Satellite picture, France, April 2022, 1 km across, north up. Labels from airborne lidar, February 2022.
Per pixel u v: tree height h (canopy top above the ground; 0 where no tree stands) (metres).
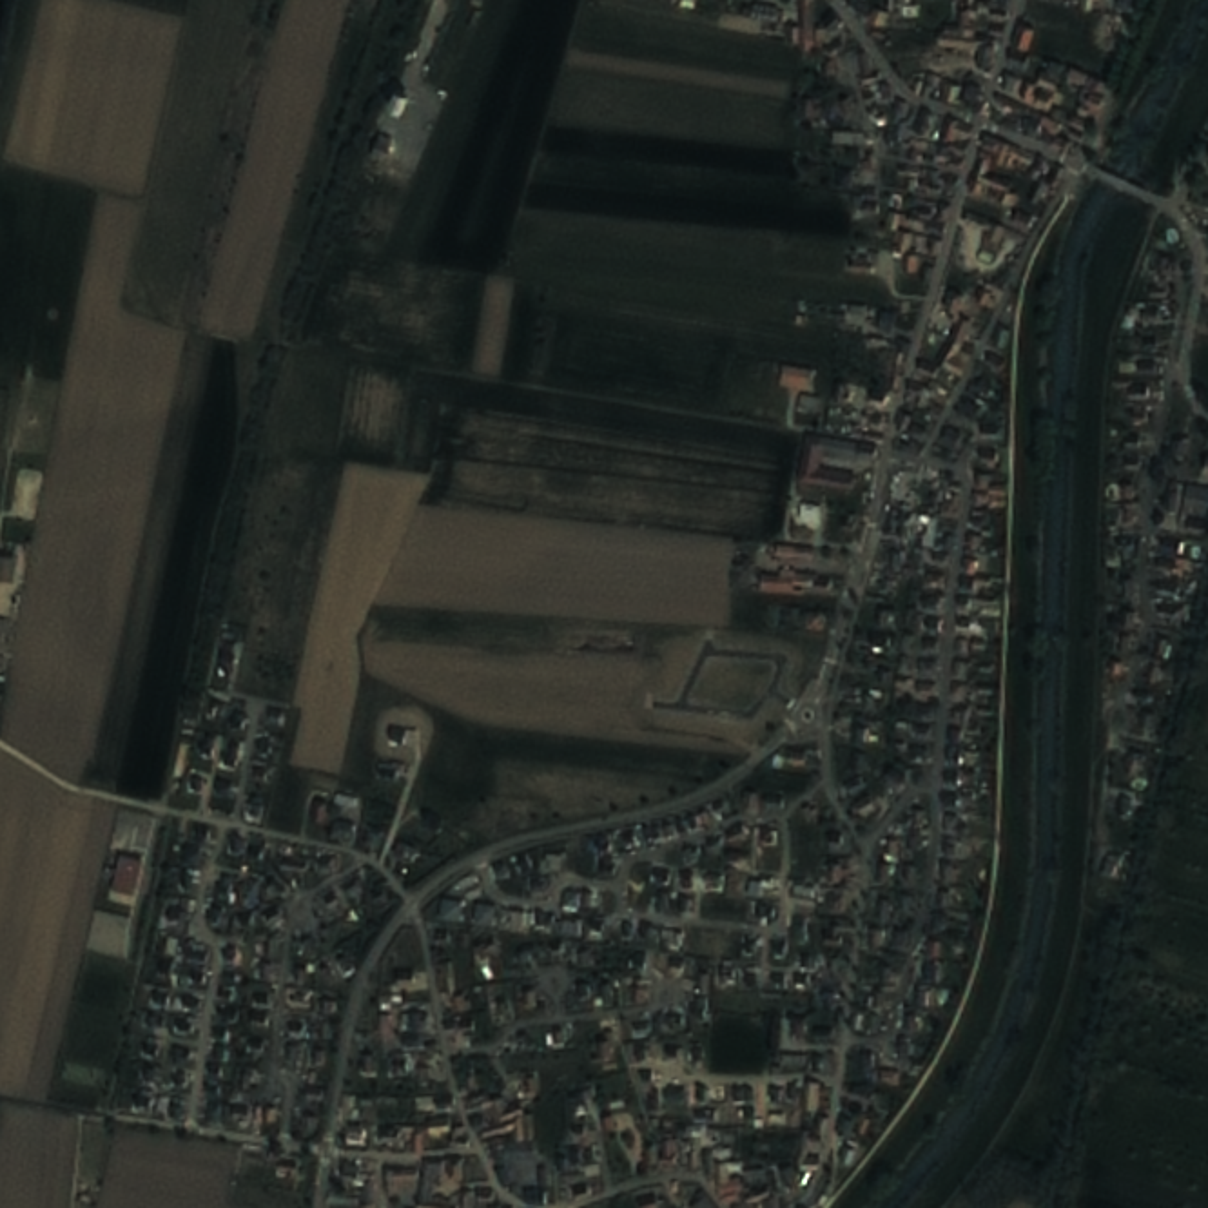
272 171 0
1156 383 0
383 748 0
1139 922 16
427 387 0
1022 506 0
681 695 0
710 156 0
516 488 0
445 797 0
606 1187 0
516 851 0
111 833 0
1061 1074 0
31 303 0
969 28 0
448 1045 0
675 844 0
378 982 9
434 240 0
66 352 0
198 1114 0
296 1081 0
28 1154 0
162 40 0
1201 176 9
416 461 0
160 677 0
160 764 0
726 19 0
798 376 0
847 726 0
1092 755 0
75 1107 0
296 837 0
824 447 0
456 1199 0
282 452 0
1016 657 0
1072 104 0
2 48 14
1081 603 0
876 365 10
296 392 0
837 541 0
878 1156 0
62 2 0
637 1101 10
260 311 0
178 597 0
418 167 0
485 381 0
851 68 0
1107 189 0
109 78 0
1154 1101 0
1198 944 0
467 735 0
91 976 0
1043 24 0
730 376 0
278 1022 0
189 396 0
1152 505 0
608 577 0
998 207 0
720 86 0
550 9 0
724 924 0
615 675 0
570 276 0
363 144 8
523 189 0
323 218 6
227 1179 0
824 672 0
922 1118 0
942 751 0
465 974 0
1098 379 0
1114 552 6
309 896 0
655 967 0
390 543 0
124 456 0
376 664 0
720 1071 0
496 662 0
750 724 0
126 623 0
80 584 0
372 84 0
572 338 0
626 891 0
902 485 0
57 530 0
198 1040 0
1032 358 0
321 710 0
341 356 0
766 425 0
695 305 0
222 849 0
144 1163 0
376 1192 0
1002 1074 0
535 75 0
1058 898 0
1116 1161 0
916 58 0
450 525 0
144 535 0
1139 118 0
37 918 0
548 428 0
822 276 0
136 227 0
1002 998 0
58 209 0
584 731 0
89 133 0
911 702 12
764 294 0
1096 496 0
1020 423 0
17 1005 0
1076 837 0
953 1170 0
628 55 0
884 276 0
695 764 0
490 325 0
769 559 0
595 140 0
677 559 0
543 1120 0
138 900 0
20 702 0
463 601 0
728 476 0
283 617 0
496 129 0
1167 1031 0
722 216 0
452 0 13
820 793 0
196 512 0
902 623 0
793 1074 0
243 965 0
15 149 0
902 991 0
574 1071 0
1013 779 0
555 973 0
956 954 0
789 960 0
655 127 0
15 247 0
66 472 0
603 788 0
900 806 0
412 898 0
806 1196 0
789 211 0
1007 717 0
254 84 0
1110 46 0
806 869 0
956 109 0
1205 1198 0
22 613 0
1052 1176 8
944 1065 0
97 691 0
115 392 0
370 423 0
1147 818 10
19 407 0
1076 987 0
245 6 0
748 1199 0
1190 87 0
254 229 0
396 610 0
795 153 0
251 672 0
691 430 0
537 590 0
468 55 0
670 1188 0
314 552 0
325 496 0
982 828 0
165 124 0
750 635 0
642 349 0
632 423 0
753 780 0
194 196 0
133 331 0
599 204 0
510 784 0
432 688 0
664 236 0
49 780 0
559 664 0
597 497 0
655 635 0
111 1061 0
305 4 0
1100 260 0
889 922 0
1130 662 0
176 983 0
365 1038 0
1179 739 15
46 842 0
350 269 0
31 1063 0
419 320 0
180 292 0
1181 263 11
